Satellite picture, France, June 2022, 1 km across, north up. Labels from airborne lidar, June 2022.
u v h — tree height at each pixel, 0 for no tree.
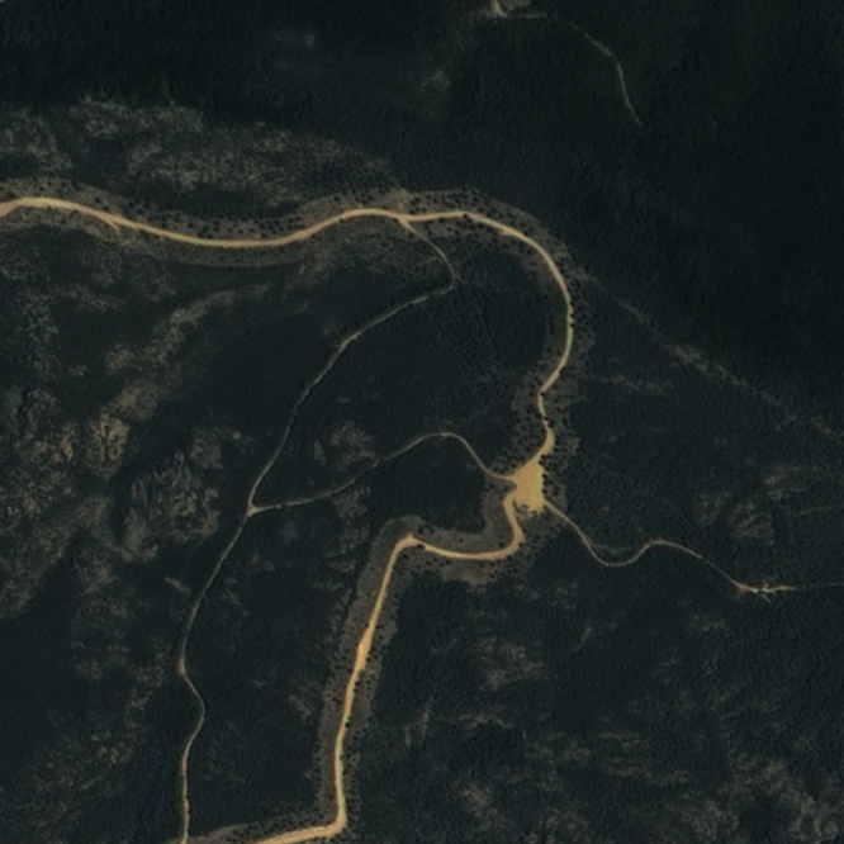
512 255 11
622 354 9
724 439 9
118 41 14
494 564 9
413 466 9
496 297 12
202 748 8
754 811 13
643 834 10
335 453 10
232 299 0
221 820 8
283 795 9
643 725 9
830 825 0
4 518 7
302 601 9
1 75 22
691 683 8
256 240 0
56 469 6
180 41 12
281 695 7
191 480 0
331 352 10
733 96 12
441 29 6
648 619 11
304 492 8
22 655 6
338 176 10
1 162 6
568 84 13
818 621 16
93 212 0
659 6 10
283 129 12
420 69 6
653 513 7
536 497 0
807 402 12
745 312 21
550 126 8
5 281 7
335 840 10
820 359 20
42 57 20
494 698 9
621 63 10
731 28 7
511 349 11
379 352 11
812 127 26
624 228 16
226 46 8
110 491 6
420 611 9
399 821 8
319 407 10
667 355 11
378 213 0
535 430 9
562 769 7
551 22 9
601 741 9
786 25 14
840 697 11
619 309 11
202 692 9
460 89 7
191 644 9
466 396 10
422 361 10
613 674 10
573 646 10
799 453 10
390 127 13
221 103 14
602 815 9
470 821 9
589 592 10
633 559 10
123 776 8
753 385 9
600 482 11
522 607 8
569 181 11
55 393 7
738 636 8
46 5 11
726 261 20
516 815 8
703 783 9
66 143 8
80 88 13
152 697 8
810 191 25
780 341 24
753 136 25
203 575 5
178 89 15
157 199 6
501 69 11
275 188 0
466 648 8
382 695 8
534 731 12
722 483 7
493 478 0
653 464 11
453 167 11
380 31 16
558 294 0
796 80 20
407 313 11
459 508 9
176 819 8
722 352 7
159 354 0
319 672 8
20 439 7
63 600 5
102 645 5
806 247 24
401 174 9
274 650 9
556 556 10
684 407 9
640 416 7
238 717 8
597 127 12
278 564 7
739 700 11
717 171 21
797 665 11
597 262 9
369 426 12
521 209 8
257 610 8
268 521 10
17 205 0
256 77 15
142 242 0
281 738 8
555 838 8
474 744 12
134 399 0
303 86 12
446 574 0
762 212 24
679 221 21
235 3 14
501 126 6
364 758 7
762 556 13
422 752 11
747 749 11
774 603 8
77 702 5
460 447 9
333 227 0
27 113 7
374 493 9
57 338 6
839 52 10
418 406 9
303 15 7
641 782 10
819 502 10
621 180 21
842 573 10
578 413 11
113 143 7
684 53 16
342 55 9
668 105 14
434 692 8
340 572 10
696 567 13
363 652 0
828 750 10
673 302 9
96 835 10
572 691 8
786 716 12
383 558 0
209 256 0
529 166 12
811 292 20
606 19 18
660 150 17
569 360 0
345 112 12
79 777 6
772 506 8
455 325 10
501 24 7
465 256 13
